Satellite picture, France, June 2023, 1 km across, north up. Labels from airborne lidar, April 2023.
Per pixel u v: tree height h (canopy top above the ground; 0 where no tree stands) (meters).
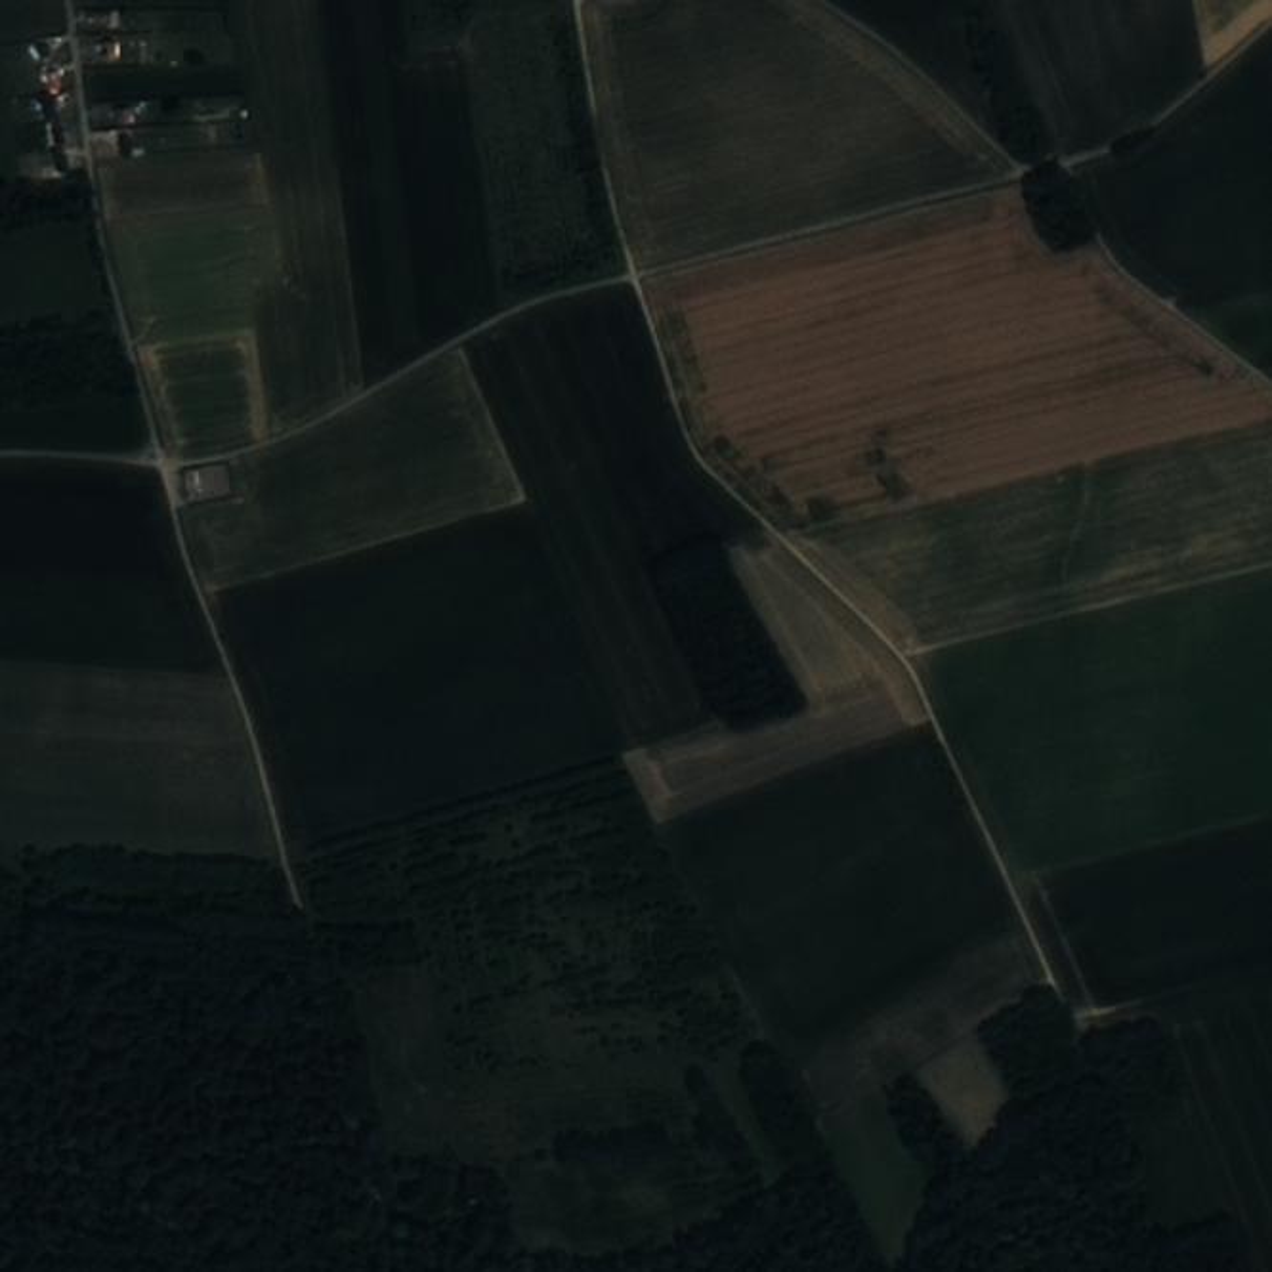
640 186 0
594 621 0
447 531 0
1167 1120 0
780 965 0
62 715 0
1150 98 0
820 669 0
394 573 0
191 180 0
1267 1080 0
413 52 0
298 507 0
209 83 0
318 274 0
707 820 0
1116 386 0
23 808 0
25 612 0
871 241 0
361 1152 25
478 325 0
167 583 0
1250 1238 0
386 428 0
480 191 0
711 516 0
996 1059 8
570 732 0
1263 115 0
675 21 0
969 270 0
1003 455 0
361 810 0
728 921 0
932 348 0
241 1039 21
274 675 0
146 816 0
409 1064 0
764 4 0
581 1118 0
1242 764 0
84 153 0
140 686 0
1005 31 0
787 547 0
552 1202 0
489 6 0
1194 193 0
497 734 0
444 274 0
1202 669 0
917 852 0
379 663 0
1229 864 0
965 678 0
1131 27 0
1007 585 0
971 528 0
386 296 0
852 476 0
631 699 0
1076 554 0
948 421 0
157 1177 26
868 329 0
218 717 0
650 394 0
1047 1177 22
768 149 0
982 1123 0
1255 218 0
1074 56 0
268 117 0
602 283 0
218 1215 23
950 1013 0
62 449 0
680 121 0
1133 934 0
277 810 0
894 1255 0
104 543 0
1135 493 0
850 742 0
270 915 19
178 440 0
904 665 0
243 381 0
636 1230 0
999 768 0
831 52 0
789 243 0
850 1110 0
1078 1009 0
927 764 0
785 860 0
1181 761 0
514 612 0
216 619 0
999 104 12
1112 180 0
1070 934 0
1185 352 0
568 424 0
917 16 0
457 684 0
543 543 0
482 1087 0
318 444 0
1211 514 0
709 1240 23
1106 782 0
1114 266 0
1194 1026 0
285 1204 26
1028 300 0
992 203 0
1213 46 0
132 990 29
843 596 0
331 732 0
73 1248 23
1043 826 0
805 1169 15
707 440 0
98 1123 26
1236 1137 0
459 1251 20
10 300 0
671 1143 28
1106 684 0
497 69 0
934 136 0
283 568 0
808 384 0
